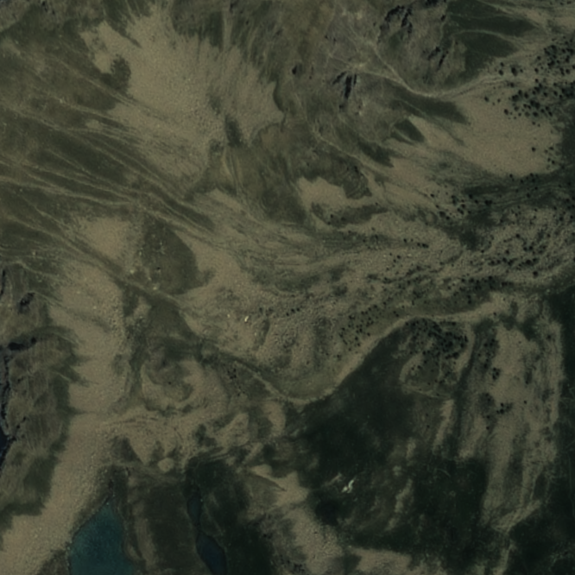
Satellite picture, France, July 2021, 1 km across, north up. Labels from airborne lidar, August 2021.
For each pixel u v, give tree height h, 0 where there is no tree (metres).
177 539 0
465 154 0
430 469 0
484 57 0
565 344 0
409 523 0
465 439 0
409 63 0
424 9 0
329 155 0
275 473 0
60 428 0
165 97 0
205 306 0
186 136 0
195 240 0
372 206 0
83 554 0
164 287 0
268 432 0
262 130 0
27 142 0
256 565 0
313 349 0
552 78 0
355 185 0
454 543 0
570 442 0
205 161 0
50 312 0
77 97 0
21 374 0
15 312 0
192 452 0
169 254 0
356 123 0
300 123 0
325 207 0
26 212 0
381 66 0
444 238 0
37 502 0
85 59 0
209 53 0
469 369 0
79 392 0
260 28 0
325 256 0
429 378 0
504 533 0
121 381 0
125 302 0
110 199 0
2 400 0
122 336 0
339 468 0
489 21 0
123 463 0
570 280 0
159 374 0
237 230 0
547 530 0
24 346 0
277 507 0
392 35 0
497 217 0
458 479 0
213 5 0
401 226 0
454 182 0
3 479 0
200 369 0
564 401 0
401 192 0
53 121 0
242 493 0
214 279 0
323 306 0
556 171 0
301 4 0
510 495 0
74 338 0
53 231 0
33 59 0
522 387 0
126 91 0
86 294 0
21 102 0
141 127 0
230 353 0
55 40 0
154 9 0
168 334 0
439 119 0
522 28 0
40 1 0
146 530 0
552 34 0
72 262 0
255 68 0
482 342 0
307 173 0
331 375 0
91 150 0
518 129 0
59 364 0
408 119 0
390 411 0
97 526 0
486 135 0
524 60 0
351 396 0
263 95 0
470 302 10
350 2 0
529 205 0
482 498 0
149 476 0
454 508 0
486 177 0
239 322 0
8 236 0
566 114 0
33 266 0
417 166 0
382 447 0
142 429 0
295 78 0
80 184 0
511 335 0
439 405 0
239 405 0
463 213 8
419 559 0
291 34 0
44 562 0
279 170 0
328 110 0
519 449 0
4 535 0
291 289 0
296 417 0
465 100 0
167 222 0
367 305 0
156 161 0
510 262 9
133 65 0
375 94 0
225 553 0
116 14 0
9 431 0
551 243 0
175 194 0
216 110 0
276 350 0
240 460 0
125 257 0
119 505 0
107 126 0
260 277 0
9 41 0
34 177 0
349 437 0
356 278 0
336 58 0
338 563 0
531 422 0
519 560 0
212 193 0
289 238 0
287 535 0
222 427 0
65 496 0
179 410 0
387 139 0
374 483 0
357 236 0
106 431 0
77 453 0
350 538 0
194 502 0
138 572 0
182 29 0
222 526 0
